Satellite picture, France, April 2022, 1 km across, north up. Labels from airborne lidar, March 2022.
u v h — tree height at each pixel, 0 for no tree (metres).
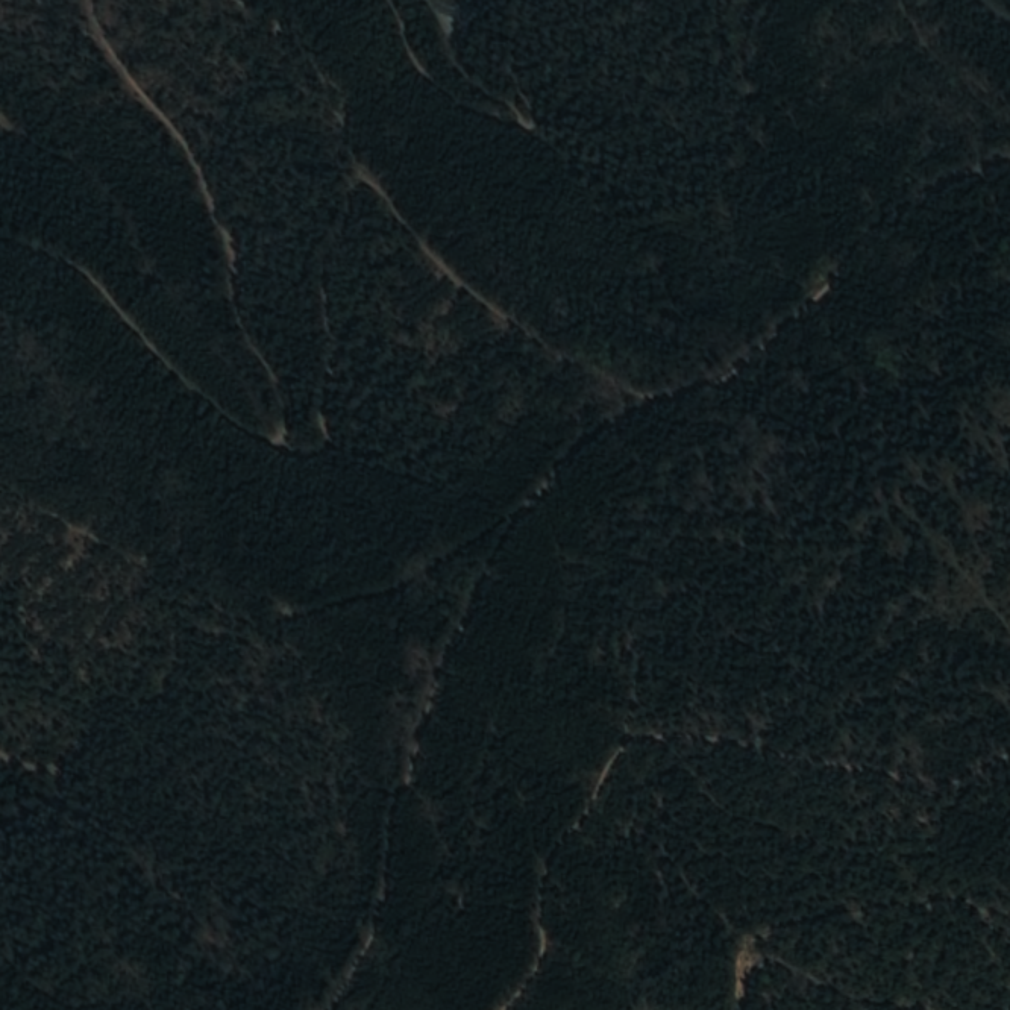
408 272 13
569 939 8
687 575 16
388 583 17
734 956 27
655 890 13
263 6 18
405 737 15
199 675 18
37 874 33
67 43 27
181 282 24
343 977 13
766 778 14
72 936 22
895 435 17
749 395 15
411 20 30
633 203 10
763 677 22
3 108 24
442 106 25
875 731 25
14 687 19
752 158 9
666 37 14
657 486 18
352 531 18
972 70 12
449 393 11
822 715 24
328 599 17
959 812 13
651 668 27
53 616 7
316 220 13
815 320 14
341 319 14
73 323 17
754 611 21
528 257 11
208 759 21
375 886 13
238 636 21
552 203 19
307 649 13
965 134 17
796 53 14
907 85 11
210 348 26
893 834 9
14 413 17
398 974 15
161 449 17
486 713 15
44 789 16
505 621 18
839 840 17
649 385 18
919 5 12
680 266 18
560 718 14
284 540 25
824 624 23
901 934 11
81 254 21
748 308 11
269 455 22
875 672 21
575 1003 7
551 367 18
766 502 15
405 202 17
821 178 17
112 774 25
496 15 28
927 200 19
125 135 9
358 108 10
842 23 8
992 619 5
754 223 8
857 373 15
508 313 11
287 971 6
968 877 22
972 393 21
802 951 14
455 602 17
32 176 19
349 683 11
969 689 23
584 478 17
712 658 24
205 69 7
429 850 13
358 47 25
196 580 17
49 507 16
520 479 15
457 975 11
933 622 8
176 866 30
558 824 16
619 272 17
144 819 26
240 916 32
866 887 20
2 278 22
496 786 9
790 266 12
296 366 18
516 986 9
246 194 22
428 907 8
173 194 10
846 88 13
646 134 23
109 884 29
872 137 16
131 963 22
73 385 19
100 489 16
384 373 23
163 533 14
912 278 17
